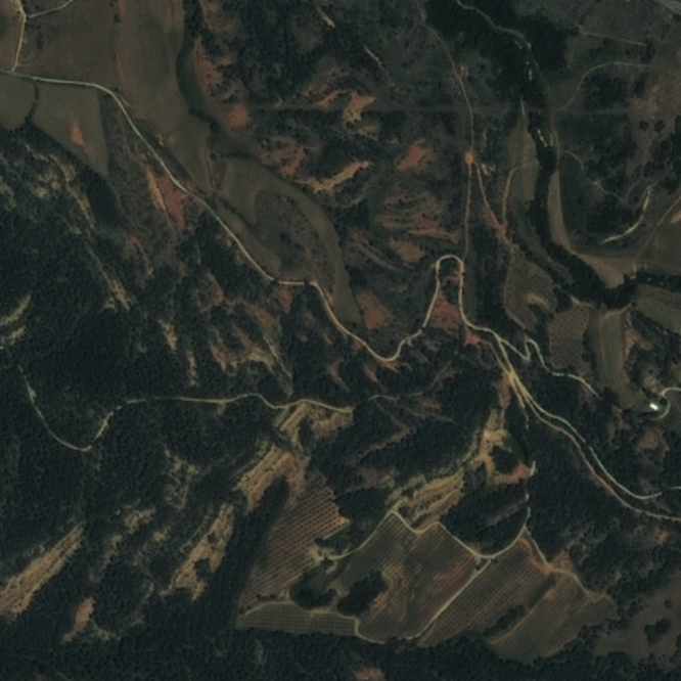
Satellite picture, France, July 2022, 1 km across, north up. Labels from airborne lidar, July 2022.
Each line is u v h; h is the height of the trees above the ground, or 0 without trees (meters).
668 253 0
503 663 14
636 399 0
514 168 0
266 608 0
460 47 9
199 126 0
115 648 16
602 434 15
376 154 9
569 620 0
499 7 11
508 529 12
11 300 15
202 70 0
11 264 15
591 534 10
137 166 0
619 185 8
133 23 0
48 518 12
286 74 8
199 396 8
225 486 12
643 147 0
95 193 12
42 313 17
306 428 10
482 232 10
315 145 0
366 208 13
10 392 13
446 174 0
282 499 12
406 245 0
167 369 15
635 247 0
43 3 0
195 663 13
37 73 0
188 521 8
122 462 12
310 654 12
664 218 0
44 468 18
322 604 10
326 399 13
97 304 10
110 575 10
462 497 7
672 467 13
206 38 10
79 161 10
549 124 0
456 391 11
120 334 14
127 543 10
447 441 14
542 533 13
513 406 11
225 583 15
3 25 0
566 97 0
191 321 12
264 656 8
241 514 11
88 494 13
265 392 12
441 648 18
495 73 8
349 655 12
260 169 0
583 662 13
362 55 9
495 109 0
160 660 22
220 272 12
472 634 0
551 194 0
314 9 11
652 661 8
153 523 9
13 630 11
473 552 0
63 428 13
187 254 14
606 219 9
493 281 10
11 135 12
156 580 15
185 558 10
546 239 16
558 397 11
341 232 9
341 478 14
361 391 10
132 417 15
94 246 8
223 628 15
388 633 0
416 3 0
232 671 15
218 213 0
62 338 15
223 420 11
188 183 0
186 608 9
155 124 0
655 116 0
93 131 0
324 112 9
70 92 0
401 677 16
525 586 0
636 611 10
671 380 9
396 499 0
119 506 11
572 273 10
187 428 14
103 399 14
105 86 0
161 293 14
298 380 17
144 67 0
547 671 17
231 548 15
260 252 0
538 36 9
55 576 10
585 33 0
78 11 0
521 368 10
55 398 13
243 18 10
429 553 0
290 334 9
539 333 9
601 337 0
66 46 0
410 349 9
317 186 0
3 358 15
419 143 0
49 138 9
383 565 0
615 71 0
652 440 0
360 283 9
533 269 0
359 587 16
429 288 9
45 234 12
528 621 0
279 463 0
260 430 11
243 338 0
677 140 14
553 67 12
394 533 0
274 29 8
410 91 6
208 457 12
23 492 12
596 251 0
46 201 6
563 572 0
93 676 16
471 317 0
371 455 14
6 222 14
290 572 0
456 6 11
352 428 10
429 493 0
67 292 16
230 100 8
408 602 0
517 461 6
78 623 0
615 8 0
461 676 14
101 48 0
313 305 10
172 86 0
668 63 0
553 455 9
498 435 0
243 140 0
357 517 11
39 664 16
